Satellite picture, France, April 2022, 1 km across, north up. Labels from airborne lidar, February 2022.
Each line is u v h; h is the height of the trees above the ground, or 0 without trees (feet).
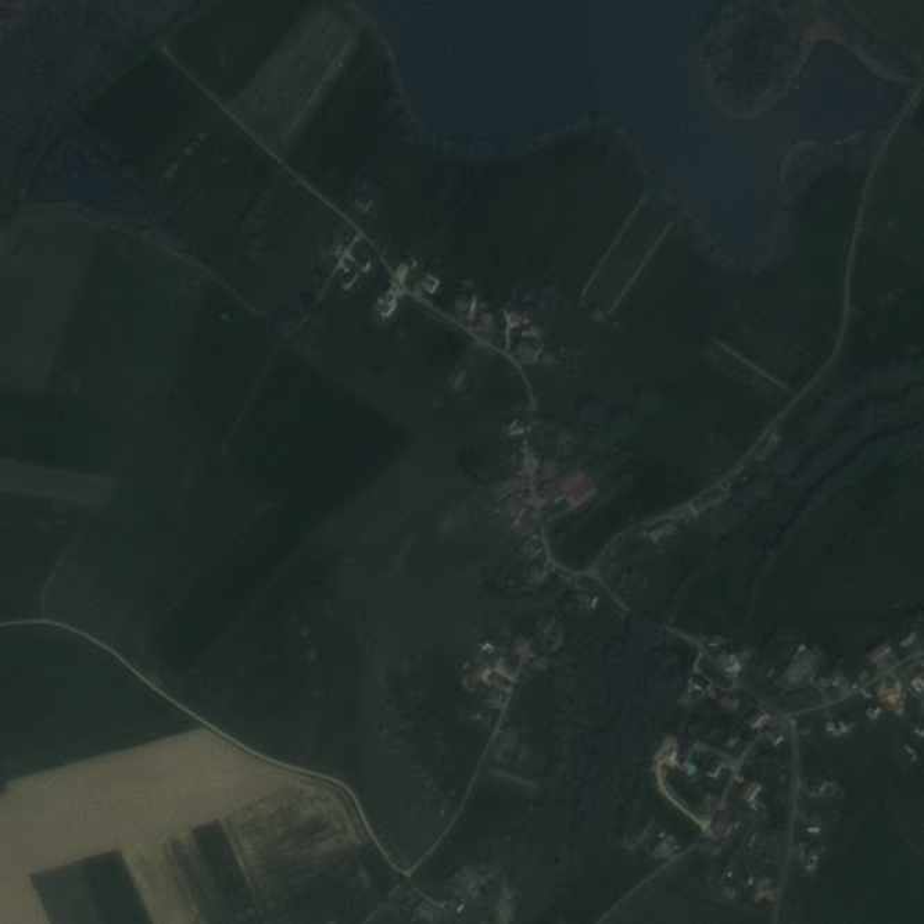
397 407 0
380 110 0
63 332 0
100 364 0
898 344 0
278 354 0
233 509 0
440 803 36
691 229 64
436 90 0
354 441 0
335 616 0
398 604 0
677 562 0
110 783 0
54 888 0
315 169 0
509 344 0
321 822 0
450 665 0
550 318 29
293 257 0
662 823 0
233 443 0
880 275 0
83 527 0
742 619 0
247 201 0
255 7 0
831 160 63
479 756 0
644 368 0
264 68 0
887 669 0
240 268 0
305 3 0
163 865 0
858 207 0
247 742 0
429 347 0
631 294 0
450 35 0
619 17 0
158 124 0
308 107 0
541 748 0
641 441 0
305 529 0
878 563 0
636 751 70
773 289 0
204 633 0
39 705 0
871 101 0
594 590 20
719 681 0
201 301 0
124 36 47
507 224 0
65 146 0
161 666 0
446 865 0
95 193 0
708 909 0
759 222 0
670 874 0
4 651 0
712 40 60
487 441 0
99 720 0
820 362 0
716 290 0
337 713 0
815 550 0
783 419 0
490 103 0
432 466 0
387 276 0
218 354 0
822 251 0
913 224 0
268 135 0
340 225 20
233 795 0
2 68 24
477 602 0
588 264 0
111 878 0
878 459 36
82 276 0
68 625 0
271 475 0
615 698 68
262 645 0
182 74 0
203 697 0
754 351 0
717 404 0
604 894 0
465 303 0
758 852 0
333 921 0
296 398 0
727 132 0
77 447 0
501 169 0
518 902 30
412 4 0
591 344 0
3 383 0
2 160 46
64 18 35
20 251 0
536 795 0
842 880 0
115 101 0
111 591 0
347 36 0
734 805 0
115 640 0
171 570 0
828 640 0
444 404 0
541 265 0
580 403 0
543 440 52
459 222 0
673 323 0
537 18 0
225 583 0
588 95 0
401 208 0
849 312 0
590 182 0
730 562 0
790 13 70
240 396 0
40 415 0
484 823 0
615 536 0
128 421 0
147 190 0
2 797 0
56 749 0
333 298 0
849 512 0
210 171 0
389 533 0
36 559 0
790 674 0
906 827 0
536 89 0
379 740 0
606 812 82
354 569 0
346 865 0
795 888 0
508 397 0
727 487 0
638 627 66
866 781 0
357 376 0
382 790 0
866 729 0
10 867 0
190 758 0
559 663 62
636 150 45
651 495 0
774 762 32
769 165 0
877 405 49
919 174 0
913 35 0
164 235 0
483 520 0
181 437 0
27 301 0
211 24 0
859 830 0
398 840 0
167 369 0
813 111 0
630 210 0
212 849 0
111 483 0
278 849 0
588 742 60
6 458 0
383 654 0
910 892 0
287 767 0
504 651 26
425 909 0
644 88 0
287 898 0
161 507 0
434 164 0
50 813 0
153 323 0
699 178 0
